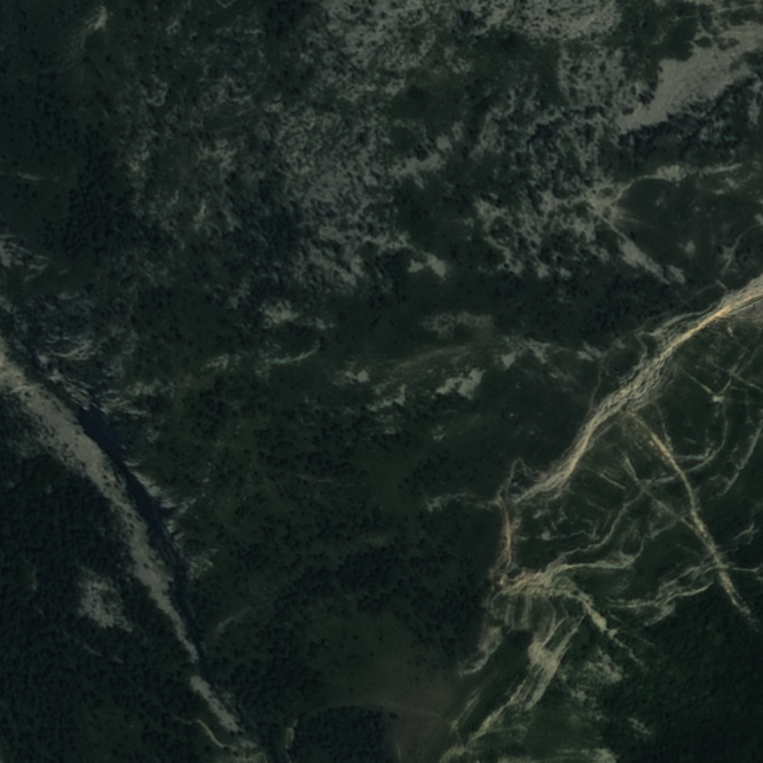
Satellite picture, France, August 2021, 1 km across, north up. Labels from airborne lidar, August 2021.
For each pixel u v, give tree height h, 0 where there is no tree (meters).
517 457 0
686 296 0
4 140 0
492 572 0
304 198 0
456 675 0
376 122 0
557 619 0
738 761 22
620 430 0
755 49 0
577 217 0
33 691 18
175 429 0
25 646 13
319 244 6
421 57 0
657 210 0
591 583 0
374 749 9
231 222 0
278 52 0
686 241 0
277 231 7
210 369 0
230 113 0
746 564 11
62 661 12
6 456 14
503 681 0
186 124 0
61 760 11
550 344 0
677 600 7
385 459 0
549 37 0
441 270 0
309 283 0
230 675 13
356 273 0
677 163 0
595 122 0
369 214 0
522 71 0
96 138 11
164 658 12
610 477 0
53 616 20
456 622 6
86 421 8
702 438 0
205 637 12
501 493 0
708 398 0
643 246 0
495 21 0
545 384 0
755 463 0
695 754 15
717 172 0
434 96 0
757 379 0
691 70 0
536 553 0
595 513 0
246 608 0
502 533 0
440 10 0
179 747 8
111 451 9
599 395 0
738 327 0
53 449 8
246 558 12
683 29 0
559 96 0
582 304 0
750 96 0
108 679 20
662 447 0
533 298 0
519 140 0
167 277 0
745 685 23
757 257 0
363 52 0
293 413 7
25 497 19
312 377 0
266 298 7
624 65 0
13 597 12
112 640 10
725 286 0
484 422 0
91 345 0
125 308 8
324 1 0
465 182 0
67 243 11
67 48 0
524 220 0
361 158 0
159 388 0
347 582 13
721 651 17
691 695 12
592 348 0
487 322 0
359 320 0
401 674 0
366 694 0
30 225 0
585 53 0
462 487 0
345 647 8
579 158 0
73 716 14
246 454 8
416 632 5
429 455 0
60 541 16
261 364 0
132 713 8
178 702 12
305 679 11
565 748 0
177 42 0
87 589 0
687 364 0
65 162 0
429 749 0
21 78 0
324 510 9
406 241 0
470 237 0
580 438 0
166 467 0
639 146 8
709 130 0
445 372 0
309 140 0
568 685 10
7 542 17
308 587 14
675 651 21
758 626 6
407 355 0
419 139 0
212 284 0
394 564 7
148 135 0
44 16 0
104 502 12
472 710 0
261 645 7
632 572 0
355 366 0
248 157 0
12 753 7
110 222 10
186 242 0
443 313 0
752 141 0
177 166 0
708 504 6
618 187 0
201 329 0
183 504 0
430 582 0
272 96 0
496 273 0
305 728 8
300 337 5
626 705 11
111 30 0
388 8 0
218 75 7
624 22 0
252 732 12
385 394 0
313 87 0
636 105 0
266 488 0
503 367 0
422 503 0
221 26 0
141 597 9
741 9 0
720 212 0
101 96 13
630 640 8
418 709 0
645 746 12
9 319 7
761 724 23
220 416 11
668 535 0
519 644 6
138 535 0
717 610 19
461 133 0
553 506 0
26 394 8
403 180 0
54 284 0
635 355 0
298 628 11
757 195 0
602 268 0
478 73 0
